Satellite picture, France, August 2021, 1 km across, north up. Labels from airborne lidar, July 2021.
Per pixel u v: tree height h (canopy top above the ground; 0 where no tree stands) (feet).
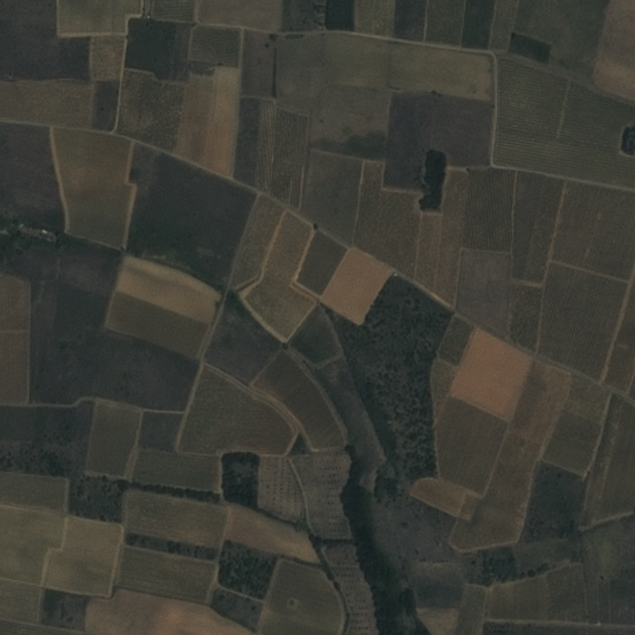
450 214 0
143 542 23
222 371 0
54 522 0
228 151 0
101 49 0
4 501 0
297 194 0
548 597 0
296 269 0
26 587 0
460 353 0
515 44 0
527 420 0
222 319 0
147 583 0
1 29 0
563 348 0
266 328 0
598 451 0
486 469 0
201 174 0
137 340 0
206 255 0
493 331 0
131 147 0
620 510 0
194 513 0
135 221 0
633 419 0
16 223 20
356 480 43
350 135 0
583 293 0
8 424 0
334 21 30
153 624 0
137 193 0
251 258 0
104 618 0
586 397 0
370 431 0
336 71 0
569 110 0
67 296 0
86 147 0
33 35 0
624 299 0
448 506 0
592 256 0
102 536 0
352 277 0
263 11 0
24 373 0
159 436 0
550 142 0
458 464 0
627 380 0
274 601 0
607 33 0
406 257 0
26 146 0
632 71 0
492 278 0
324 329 0
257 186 0
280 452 0
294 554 0
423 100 0
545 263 0
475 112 0
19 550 0
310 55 0
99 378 0
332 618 0
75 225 0
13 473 0
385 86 0
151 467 0
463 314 0
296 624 0
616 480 0
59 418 0
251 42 0
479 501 0
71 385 0
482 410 0
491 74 0
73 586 0
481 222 0
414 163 0
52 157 0
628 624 0
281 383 0
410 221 0
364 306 0
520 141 0
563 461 0
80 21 0
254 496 23
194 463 0
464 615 0
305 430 0
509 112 0
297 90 0
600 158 0
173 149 0
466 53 0
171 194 0
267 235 0
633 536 0
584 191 0
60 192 0
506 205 0
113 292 0
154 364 0
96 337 0
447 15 0
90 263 0
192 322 0
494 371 0
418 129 0
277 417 0
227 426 0
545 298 0
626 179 0
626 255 0
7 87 0
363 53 0
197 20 0
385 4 0
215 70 0
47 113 0
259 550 0
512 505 0
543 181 0
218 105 0
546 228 0
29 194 0
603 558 0
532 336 0
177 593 0
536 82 0
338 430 0
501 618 0
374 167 0
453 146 0
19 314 0
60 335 0
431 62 0
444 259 0
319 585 0
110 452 0
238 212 0
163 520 0
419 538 0
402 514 0
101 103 0
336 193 0
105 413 0
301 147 0
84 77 0
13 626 0
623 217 0
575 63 0
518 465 0
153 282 0
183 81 0
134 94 0
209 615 0
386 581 24
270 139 0
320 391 0
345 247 0
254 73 0
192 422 0
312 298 0
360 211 0
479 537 0
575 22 0
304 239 0
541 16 0
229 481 27
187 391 0
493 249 0
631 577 0
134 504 0
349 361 22
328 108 0
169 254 0
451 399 0
